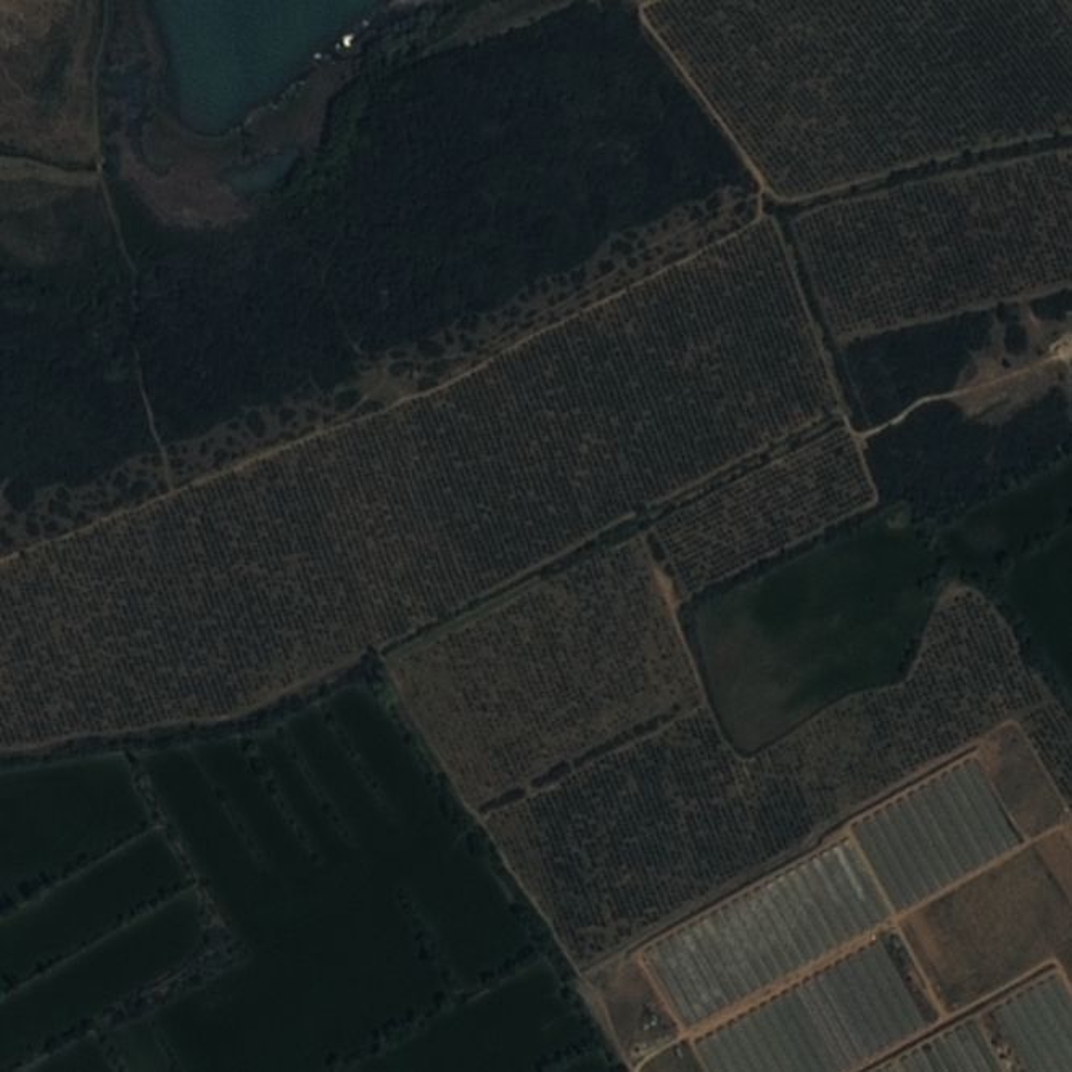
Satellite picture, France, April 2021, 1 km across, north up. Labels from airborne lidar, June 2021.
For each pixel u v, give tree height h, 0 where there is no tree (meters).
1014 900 0
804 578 0
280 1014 0
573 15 7
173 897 9
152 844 0
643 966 0
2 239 0
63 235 0
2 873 0
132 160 0
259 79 0
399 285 7
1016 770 0
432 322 6
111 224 0
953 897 0
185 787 0
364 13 0
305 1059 0
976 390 0
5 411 6
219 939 8
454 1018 0
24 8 0
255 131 0
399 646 7
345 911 0
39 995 0
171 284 11
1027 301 0
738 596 0
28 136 0
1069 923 0
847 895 0
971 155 9
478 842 12
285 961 0
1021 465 5
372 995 0
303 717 8
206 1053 0
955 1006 0
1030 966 0
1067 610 0
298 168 11
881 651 0
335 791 0
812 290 6
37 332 7
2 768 8
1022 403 0
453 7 9
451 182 6
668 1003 0
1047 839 0
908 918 0
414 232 6
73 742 6
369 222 6
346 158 6
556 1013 0
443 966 9
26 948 0
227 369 6
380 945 0
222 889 0
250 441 0
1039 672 10
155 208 0
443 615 7
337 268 6
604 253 0
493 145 6
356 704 0
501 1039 0
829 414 12
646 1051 0
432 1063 0
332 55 0
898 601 0
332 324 6
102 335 7
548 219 5
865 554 0
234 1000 0
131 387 6
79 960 0
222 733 8
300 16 0
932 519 13
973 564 0
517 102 6
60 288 7
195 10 0
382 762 0
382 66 15
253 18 0
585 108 0
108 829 0
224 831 0
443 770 0
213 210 0
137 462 0
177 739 7
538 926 13
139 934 0
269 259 7
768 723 0
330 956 0
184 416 6
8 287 9
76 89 0
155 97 0
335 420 0
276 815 0
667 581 0
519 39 6
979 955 0
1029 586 0
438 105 6
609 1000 0
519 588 0
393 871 0
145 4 0
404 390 0
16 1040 0
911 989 0
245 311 6
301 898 0
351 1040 0
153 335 11
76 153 0
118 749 11
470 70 5
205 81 0
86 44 0
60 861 0
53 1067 0
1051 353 0
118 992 0
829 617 0
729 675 0
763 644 0
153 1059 0
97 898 0
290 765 0
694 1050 0
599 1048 12
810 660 0
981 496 8
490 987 9
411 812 0
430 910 0
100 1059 0
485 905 0
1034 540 9
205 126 0
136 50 0
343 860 0
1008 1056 0
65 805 0
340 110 16
